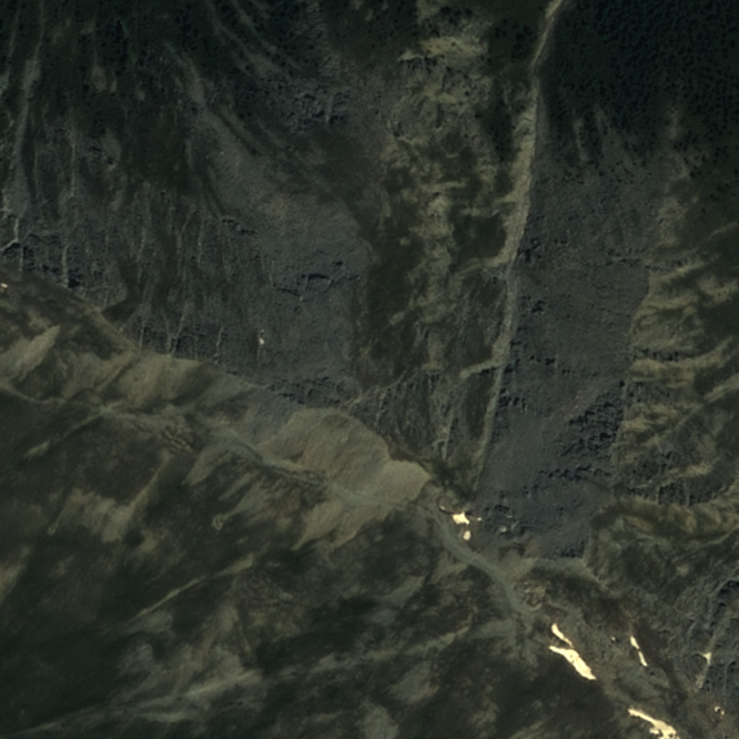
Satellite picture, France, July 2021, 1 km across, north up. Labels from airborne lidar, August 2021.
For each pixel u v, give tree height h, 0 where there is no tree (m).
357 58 0
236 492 0
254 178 0
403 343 0
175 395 0
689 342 0
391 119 0
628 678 0
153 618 0
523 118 0
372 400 0
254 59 0
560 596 0
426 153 0
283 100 0
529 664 0
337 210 0
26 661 0
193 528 0
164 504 0
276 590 0
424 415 0
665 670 0
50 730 0
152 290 0
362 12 0
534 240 0
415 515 0
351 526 0
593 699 0
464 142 0
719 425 0
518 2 0
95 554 0
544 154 0
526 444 0
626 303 0
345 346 0
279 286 0
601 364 0
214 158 0
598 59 0
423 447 0
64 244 0
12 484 0
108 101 0
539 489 0
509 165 0
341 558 0
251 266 0
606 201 0
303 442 0
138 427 0
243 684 0
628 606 0
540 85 0
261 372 0
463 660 0
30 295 0
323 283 0
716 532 0
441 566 0
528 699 0
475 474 0
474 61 0
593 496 0
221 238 0
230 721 0
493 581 0
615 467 0
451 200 0
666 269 0
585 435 0
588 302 0
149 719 0
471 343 0
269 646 0
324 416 0
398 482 0
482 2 0
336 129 0
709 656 0
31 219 0
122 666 0
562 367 0
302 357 0
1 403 0
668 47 8
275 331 0
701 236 0
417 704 0
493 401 0
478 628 0
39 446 0
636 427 0
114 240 0
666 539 0
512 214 0
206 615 0
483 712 0
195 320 0
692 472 0
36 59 0
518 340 0
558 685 0
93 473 0
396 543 0
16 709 0
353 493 0
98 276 0
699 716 0
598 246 0
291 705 0
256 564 0
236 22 9
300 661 0
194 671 0
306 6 7
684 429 0
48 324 0
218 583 0
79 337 0
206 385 0
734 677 0
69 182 0
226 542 0
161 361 0
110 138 0
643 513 0
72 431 0
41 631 0
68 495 0
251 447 0
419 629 0
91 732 0
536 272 0
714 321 0
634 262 0
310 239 0
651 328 0
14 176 0
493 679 0
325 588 0
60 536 0
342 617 0
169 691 0
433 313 0
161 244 0
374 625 0
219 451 0
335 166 0
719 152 8
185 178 0
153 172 0
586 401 0
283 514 0
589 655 0
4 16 0
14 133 0
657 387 0
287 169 0
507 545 0
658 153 0
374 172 0
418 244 0
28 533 0
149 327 0
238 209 0
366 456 0
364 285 0
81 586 0
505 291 0
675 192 0
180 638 0
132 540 0
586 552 0
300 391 0
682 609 0
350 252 0
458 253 0
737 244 0
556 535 0
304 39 0
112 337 0
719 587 0
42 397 0
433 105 0
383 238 0
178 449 0
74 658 0
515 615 0
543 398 0
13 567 0
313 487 0
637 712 0
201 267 0
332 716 0
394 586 0
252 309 0
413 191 0
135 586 0
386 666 0
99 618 0
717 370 0
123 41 9
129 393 0
